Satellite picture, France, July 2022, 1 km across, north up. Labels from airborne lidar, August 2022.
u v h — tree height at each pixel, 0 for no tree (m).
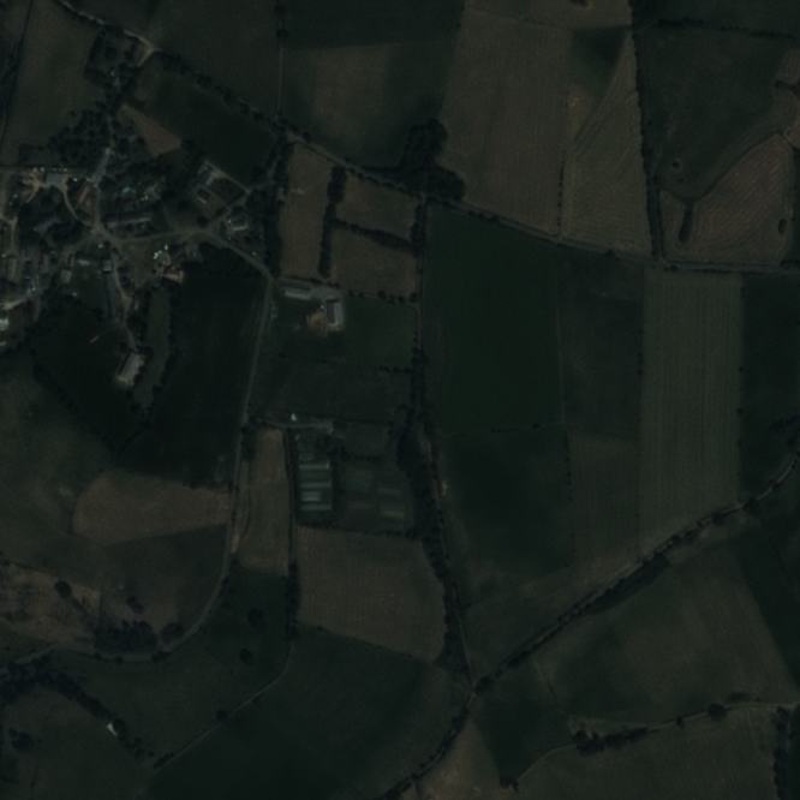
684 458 0
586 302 0
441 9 0
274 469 0
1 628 0
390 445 0
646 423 0
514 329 0
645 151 13
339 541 0
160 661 13
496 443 0
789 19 0
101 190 12
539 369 0
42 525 0
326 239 7
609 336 0
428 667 0
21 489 0
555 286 0
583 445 0
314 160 0
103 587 0
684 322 0
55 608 0
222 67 0
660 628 0
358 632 0
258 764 0
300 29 0
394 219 0
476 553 0
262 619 21
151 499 0
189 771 0
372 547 0
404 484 0
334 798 0
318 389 0
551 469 0
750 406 0
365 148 0
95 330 0
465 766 0
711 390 0
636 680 0
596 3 0
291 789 0
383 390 0
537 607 0
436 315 0
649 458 0
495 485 0
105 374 0
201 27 0
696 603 0
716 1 0
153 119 0
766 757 0
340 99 0
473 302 0
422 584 0
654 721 0
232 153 0
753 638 0
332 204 8
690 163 0
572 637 0
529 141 0
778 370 0
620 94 0
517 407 0
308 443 0
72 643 0
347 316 0
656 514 0
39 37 0
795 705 0
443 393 0
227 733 0
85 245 0
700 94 0
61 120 0
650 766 0
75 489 0
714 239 0
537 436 0
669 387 0
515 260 0
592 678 0
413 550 0
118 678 0
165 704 0
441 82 0
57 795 0
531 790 0
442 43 0
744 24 0
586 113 0
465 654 0
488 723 0
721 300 0
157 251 0
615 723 0
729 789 0
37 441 0
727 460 0
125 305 0
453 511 0
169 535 0
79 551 0
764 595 0
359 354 0
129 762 0
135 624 8
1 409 0
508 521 0
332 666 0
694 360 0
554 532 0
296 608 9
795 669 0
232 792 0
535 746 0
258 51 0
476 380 0
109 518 0
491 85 0
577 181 0
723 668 0
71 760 0
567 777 0
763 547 0
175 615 0
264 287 0
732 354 0
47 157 0
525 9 0
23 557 0
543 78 0
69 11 10
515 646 0
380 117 0
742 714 0
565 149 0
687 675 0
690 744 0
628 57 0
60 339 0
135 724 0
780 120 0
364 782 0
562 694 0
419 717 0
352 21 0
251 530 0
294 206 0
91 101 0
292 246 0
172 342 14
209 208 0
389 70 0
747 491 0
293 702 0
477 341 0
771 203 0
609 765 0
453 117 0
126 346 9
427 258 0
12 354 10
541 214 0
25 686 20
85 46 0
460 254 0
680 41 0
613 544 0
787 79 0
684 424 0
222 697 0
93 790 0
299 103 0
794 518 0
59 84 0
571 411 0
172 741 0
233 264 14
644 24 6
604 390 0
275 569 0
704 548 0
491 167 0
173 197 15
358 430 0
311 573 0
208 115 0
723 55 0
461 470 0
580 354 0
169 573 0
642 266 0
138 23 0
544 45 0
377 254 0
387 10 0
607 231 0
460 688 0
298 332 0
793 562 0
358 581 0
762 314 0
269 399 0
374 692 0
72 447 0
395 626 0
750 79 0
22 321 0
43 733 0
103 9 0
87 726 0
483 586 0
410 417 12
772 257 0
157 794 0
